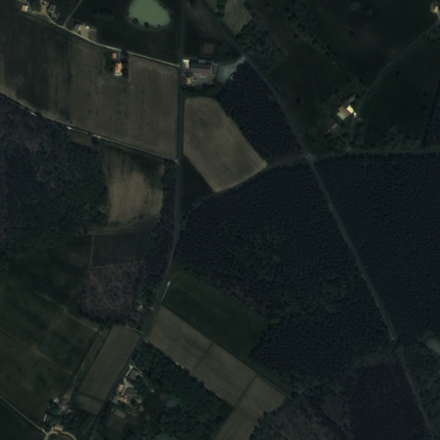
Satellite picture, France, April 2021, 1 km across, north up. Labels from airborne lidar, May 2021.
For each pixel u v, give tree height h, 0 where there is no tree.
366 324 19
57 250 0
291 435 13
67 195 18
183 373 20
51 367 0
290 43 0
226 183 0
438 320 18
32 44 0
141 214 0
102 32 0
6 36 0
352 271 18
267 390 0
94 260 0
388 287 18
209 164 0
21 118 15
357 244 16
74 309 0
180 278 0
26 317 0
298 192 17
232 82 16
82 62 0
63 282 0
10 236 16
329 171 18
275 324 11
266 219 18
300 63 0
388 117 0
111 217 0
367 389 18
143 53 0
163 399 0
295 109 0
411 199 19
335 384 18
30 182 24
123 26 0
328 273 19
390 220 18
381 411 15
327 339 17
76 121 0
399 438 17
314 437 12
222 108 0
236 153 0
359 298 16
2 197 10
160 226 13
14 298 0
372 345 18
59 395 0
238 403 0
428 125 0
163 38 0
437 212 18
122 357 0
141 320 11
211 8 0
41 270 0
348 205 18
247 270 18
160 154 0
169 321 0
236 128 0
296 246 18
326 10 0
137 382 14
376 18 0
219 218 18
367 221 17
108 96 0
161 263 14
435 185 17
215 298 0
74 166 17
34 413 0
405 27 0
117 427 0
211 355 0
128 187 0
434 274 17
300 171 18
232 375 0
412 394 15
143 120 0
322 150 0
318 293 18
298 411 16
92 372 0
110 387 0
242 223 18
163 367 22
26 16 0
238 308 0
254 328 0
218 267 13
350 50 0
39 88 0
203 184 0
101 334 0
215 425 23
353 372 14
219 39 0
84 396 0
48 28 0
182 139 0
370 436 15
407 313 17
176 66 0
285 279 17
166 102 0
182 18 0
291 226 17
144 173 0
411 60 0
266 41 12
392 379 15
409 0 0
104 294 6
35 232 20
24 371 0
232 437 0
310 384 16
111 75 0
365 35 0
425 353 18
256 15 10
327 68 0
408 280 17
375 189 18
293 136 16
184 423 17
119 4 0
